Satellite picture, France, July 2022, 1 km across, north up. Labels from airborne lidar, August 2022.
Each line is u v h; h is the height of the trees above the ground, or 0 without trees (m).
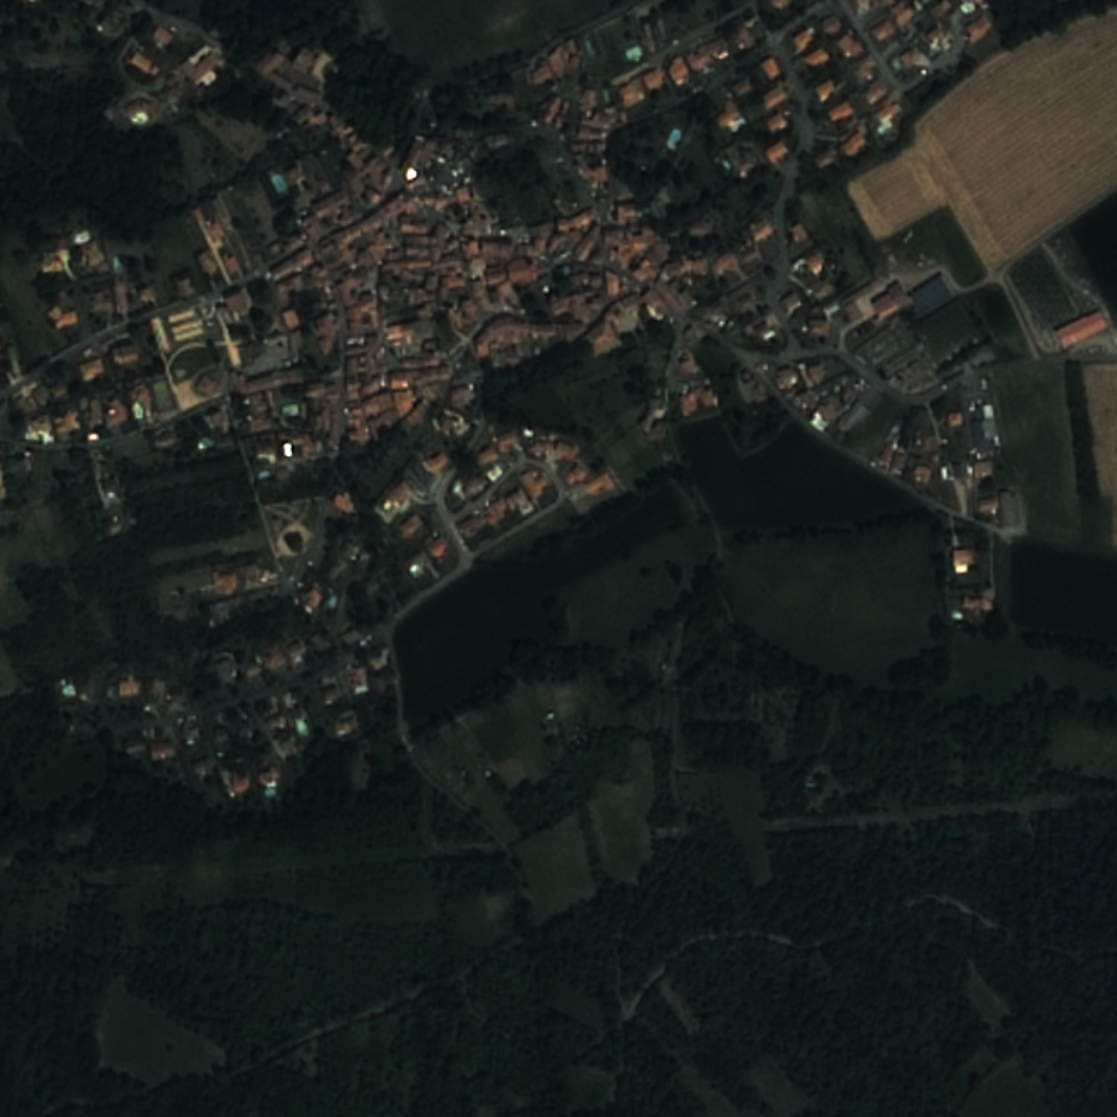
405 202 0
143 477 9
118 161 20
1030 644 15
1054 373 0
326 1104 7
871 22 0
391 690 9
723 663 9
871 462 0
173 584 0
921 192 0
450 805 10
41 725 8
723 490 0
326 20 23
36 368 6
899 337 0
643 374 16
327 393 0
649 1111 13
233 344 0
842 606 0
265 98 12
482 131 8
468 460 19
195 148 0
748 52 9
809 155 10
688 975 8
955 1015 7
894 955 9
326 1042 8
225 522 8
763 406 10
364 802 9
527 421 6
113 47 7
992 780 6
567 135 10
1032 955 24
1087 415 6
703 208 6
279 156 6
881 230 0
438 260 0
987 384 0
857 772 7
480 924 0
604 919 11
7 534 6
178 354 0
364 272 0
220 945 6
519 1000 6
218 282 7
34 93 12
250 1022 7
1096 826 20
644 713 0
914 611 0
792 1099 0
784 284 0
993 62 0
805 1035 10
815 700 12
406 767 8
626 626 0
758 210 8
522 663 19
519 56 8
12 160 13
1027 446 0
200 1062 0
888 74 0
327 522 6
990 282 0
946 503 0
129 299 7
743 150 6
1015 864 11
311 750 7
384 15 0
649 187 20
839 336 0
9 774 19
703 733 14
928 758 8
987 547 11
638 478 0
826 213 0
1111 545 0
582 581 0
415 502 0
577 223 0
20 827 19
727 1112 0
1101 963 15
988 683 0
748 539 13
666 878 9
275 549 0
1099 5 16
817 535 13
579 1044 8
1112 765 0
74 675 7
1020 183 0
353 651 7
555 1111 14
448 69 0
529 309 11
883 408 0
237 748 7
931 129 0
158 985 10
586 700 0
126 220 8
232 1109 17
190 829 7
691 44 0
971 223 0
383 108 32
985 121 0
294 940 7
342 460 10
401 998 9
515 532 0
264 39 28
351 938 7
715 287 5
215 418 0
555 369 17
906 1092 10
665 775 9
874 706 18
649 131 9
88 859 11
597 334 0
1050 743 8
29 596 10
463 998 8
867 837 8
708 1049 7
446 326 11
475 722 0
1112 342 0
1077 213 0
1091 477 10
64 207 17
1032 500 0
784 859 9
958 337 0
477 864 16
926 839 9
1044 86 0
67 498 7
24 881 7
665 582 0
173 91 0
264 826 11
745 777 0
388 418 0
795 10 7
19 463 0
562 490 0
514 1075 8
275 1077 10
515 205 0
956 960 12
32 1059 15
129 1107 14
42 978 14
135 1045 0
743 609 0
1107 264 0
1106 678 0
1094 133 0
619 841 0
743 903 7
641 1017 7
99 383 6
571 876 0
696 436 0
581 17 0
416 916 0
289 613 10
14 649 8
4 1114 9
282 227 15
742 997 6
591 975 8
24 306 0
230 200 0
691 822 9
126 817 10
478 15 0
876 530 11
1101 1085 9
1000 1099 0
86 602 6
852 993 7
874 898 15
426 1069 8
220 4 13
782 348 8
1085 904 19
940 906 10
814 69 7
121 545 6
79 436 7
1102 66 0
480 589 0
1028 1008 13
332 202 0
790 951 7
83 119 11
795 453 0
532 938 18
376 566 6
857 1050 12
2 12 11
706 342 6
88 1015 12
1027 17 11
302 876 6
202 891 0
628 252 0
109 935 11
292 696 7
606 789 0
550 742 10
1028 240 0
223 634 10
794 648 0
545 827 9
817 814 7
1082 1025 12
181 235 0
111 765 6
